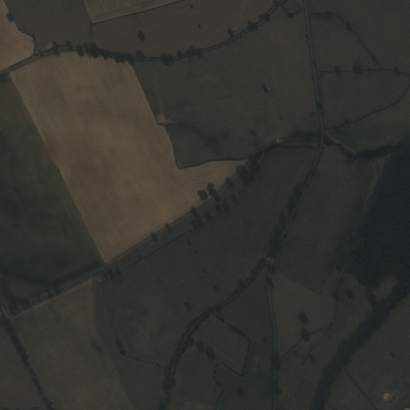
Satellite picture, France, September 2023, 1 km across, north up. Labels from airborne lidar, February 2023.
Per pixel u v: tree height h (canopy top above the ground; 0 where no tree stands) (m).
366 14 0
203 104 0
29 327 0
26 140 0
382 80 0
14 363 0
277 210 0
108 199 0
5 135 0
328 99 0
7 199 0
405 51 0
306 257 0
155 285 0
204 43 0
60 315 0
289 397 0
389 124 0
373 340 0
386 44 0
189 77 0
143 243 0
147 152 0
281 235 14
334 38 0
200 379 0
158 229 0
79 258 0
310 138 0
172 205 0
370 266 22
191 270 0
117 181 0
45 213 0
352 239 34
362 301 0
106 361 0
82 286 0
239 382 0
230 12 0
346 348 20
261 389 0
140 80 0
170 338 0
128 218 0
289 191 0
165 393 18
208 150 0
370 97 0
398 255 27
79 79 0
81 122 0
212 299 0
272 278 0
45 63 0
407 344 0
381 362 0
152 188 0
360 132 0
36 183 0
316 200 0
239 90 0
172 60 13
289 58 0
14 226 0
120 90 0
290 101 0
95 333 0
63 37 0
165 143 0
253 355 0
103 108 0
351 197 0
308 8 0
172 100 0
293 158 0
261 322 0
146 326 0
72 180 0
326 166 0
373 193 0
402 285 14
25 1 0
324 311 0
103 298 0
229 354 0
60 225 0
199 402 0
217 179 0
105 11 0
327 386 19
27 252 0
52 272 0
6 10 0
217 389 0
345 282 0
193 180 0
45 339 0
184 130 0
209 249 0
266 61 0
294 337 0
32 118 0
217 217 0
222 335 0
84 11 0
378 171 0
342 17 0
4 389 0
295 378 0
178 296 0
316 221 0
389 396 0
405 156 22
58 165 0
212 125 0
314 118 0
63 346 0
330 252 0
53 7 0
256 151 0
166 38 0
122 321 0
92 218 0
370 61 0
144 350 0
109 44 0
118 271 13
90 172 0
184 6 0
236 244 0
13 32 0
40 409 0
